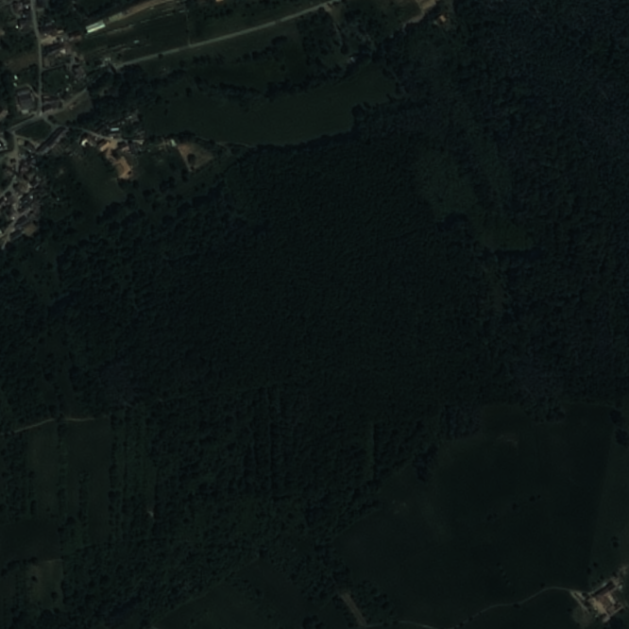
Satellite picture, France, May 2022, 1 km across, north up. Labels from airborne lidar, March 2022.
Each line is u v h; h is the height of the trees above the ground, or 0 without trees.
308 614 0
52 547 0
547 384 24
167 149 0
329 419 19
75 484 0
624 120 23
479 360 22
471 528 0
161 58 8
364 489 12
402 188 22
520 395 19
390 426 15
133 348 22
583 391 21
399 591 0
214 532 9
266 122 0
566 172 21
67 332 15
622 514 0
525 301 28
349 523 9
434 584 0
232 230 23
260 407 15
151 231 9
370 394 18
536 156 28
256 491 9
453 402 19
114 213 17
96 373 15
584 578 0
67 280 15
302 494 9
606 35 19
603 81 21
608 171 21
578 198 30
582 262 28
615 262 22
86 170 0
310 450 15
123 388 20
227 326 21
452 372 20
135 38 0
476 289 25
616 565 0
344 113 0
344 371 18
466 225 26
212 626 0
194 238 11
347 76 15
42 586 0
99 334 17
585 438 0
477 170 19
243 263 25
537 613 0
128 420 11
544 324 18
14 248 16
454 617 0
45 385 0
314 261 17
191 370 21
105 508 0
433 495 0
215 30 0
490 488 0
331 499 18
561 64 17
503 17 24
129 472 7
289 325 20
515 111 30
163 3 0
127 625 0
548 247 20
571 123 19
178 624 0
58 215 0
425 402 17
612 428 0
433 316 22
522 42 19
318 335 23
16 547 0
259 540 6
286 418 17
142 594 9
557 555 0
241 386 18
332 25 16
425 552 0
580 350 22
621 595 0
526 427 0
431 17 8
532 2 21
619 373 20
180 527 7
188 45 0
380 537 0
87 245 13
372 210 19
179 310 23
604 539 0
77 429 0
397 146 19
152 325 20
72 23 0
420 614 0
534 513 0
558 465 0
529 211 27
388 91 0
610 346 21
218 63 16
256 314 19
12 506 6
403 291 24
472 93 21
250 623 0
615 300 13
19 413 7
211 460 6
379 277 21
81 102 0
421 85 20
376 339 18
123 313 14
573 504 0
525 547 0
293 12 0
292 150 16
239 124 0
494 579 0
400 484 0
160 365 20
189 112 0
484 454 0
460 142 21
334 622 0
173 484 6
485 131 25
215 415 14
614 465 0
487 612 0
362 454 15
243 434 7
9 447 6
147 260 15
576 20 22
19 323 12
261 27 0
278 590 0
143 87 16
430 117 21
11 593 0
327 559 13
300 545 0
